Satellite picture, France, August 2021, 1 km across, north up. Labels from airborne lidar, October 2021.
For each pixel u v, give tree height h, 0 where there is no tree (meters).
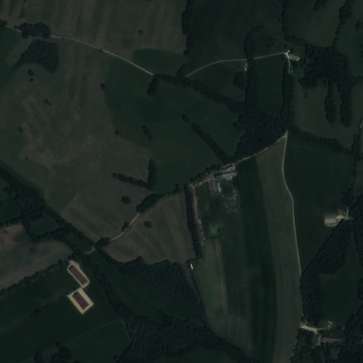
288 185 0
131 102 0
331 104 20
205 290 0
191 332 28
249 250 0
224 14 0
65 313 0
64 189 0
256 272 0
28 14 0
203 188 0
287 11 13
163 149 0
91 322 0
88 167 0
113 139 0
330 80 16
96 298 0
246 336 0
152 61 0
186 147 0
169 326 25
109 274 0
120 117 0
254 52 16
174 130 0
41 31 12
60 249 0
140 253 0
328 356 17
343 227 19
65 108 0
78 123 0
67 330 0
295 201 0
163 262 9
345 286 0
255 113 20
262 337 0
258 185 0
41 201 20
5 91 0
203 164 0
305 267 0
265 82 0
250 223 0
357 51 0
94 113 0
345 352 13
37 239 14
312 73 19
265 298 0
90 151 0
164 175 0
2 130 0
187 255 0
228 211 0
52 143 0
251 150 20
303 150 0
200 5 0
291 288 0
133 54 0
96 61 0
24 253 0
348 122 21
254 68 12
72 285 0
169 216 0
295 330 0
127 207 0
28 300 0
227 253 0
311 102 0
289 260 0
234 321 0
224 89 0
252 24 0
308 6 0
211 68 0
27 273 0
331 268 18
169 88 0
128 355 24
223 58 0
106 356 0
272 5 0
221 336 0
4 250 0
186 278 13
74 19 0
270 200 0
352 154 15
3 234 0
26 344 0
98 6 0
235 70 0
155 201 8
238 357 19
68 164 0
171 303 0
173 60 0
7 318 0
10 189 15
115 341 0
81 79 0
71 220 0
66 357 27
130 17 0
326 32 0
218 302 0
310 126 0
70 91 0
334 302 0
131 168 0
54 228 0
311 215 0
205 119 0
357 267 0
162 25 0
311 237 0
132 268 10
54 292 0
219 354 0
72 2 0
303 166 0
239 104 10
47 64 6
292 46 0
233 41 0
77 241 0
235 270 0
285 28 14
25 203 8
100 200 0
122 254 0
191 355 0
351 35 0
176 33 0
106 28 0
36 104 0
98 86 0
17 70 0
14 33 0
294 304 0
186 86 21
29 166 0
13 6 0
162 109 0
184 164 0
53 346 0
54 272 0
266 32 0
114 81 0
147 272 17
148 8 0
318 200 0
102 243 16
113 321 0
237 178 7
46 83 0
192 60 0
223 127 0
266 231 0
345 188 0
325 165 0
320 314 21
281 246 0
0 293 16
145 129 11
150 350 21
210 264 0
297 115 0
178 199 0
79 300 0
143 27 0
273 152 0
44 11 0
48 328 0
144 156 0
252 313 0
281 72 0
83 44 0
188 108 0
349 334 20
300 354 9
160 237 0
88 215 0
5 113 0
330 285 0
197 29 0
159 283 12
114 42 0
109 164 0
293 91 17
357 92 0
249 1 0
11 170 0
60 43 0
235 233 0
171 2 0
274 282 0
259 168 0
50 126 0
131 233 0
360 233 16
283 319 0
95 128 0
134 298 0
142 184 14
